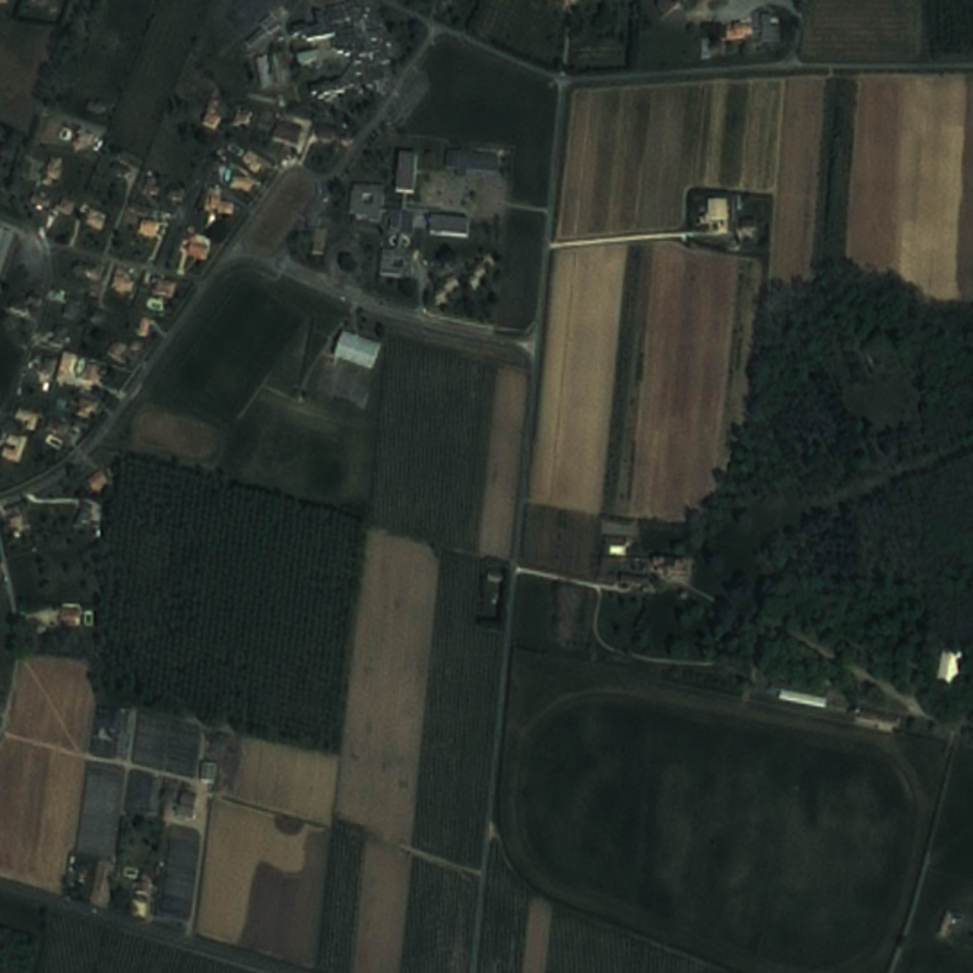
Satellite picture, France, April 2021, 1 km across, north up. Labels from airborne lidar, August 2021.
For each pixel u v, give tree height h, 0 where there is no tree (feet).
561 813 0
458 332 0
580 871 0
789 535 44
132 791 0
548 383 0
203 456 0
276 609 68
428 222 0
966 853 0
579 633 42
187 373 0
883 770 0
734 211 0
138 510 45
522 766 0
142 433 0
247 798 0
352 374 0
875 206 0
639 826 0
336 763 0
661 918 0
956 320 50
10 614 0
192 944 0
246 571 67
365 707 0
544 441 0
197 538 52
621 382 0
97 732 0
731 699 0
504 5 0
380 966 0
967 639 70
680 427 0
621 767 0
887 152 0
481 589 18
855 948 0
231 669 58
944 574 67
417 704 0
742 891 0
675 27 0
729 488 83
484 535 0
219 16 0
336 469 0
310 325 0
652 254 0
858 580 44
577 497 0
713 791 0
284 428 0
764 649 76
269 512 61
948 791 0
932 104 0
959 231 0
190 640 63
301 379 0
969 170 0
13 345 0
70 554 0
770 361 69
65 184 0
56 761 0
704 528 61
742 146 0
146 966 0
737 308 0
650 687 0
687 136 0
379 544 0
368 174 44
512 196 0
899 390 0
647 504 0
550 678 0
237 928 0
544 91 0
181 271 0
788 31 0
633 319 0
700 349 0
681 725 0
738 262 0
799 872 0
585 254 0
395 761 0
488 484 0
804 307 78
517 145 0
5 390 0
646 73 0
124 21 0
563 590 55
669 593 0
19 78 0
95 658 57
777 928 0
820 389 60
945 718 64
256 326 0
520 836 0
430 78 0
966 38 23
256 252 0
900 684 59
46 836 0
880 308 77
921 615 82
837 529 62
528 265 0
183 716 66
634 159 0
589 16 23
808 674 83
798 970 0
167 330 0
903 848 0
